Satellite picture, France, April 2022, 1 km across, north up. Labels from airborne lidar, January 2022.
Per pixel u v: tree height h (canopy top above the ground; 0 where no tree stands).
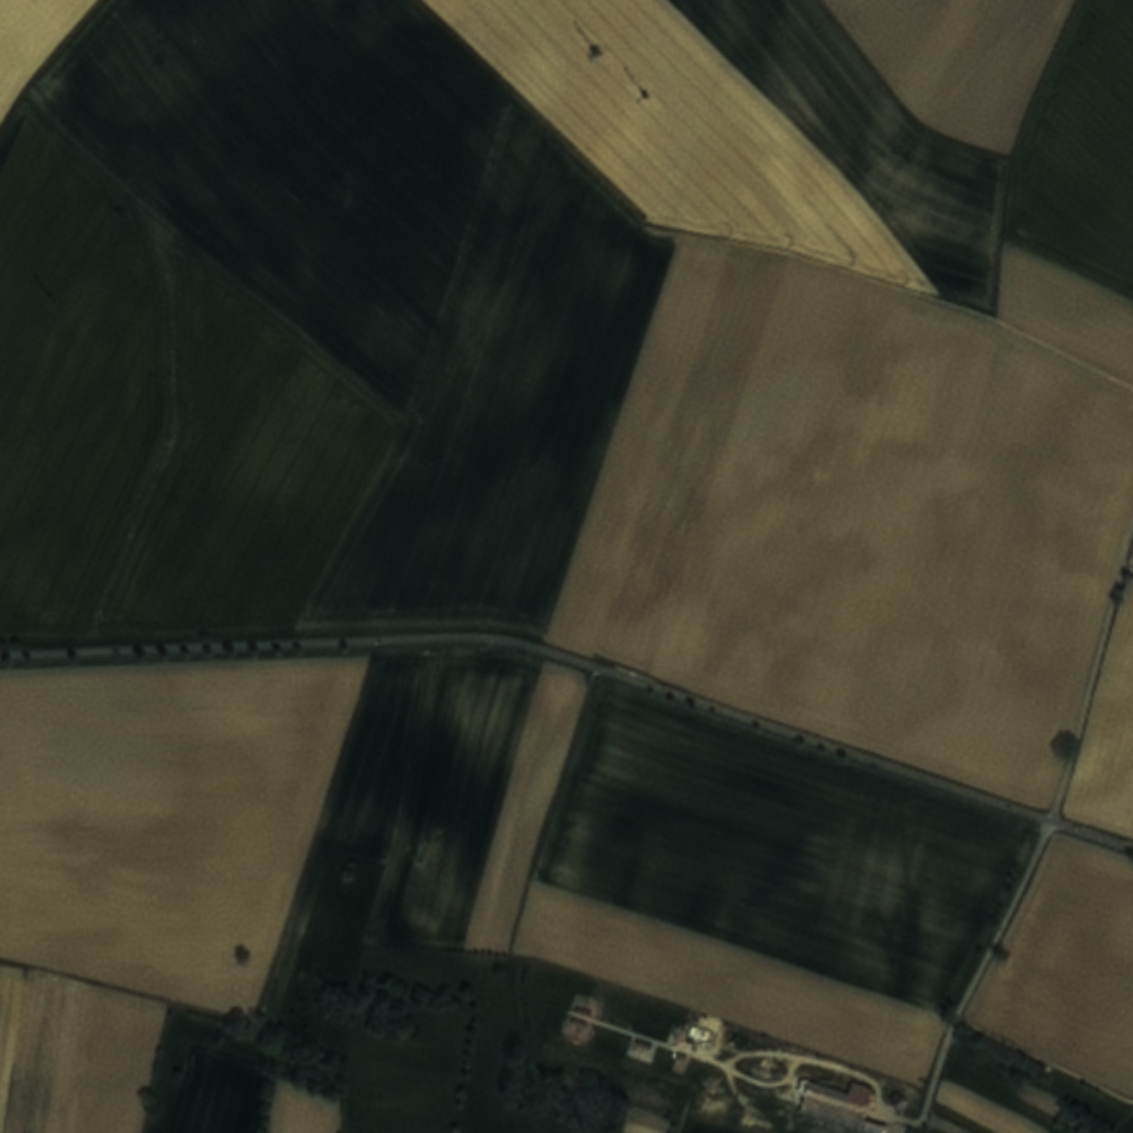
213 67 0
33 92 0
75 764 0
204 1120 0
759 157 0
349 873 8
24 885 0
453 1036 0
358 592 0
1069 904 0
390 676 0
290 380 0
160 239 0
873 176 0
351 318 0
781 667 0
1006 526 0
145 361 0
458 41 0
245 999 0
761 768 0
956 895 0
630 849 0
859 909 0
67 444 0
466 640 0
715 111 0
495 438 0
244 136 0
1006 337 0
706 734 0
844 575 0
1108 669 0
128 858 0
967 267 0
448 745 0
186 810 0
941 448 0
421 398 0
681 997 0
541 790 0
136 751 0
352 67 0
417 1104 0
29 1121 0
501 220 0
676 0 0
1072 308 0
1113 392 0
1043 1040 0
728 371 0
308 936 0
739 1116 0
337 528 0
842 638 0
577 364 0
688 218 0
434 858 0
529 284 0
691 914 0
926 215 0
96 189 0
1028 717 0
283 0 0
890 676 0
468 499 0
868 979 0
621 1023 0
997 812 0
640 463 0
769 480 0
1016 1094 0
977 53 0
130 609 0
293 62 0
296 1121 0
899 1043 0
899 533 0
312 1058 9
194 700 0
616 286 0
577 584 0
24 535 0
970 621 0
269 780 0
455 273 0
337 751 0
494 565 0
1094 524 0
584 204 0
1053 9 0
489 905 0
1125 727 0
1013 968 0
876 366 0
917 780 0
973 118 0
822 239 0
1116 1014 0
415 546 0
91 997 0
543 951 0
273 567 0
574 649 0
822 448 0
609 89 0
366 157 0
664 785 0
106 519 0
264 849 0
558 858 0
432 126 0
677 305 0
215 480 0
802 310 0
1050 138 0
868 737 0
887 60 0
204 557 0
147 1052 0
